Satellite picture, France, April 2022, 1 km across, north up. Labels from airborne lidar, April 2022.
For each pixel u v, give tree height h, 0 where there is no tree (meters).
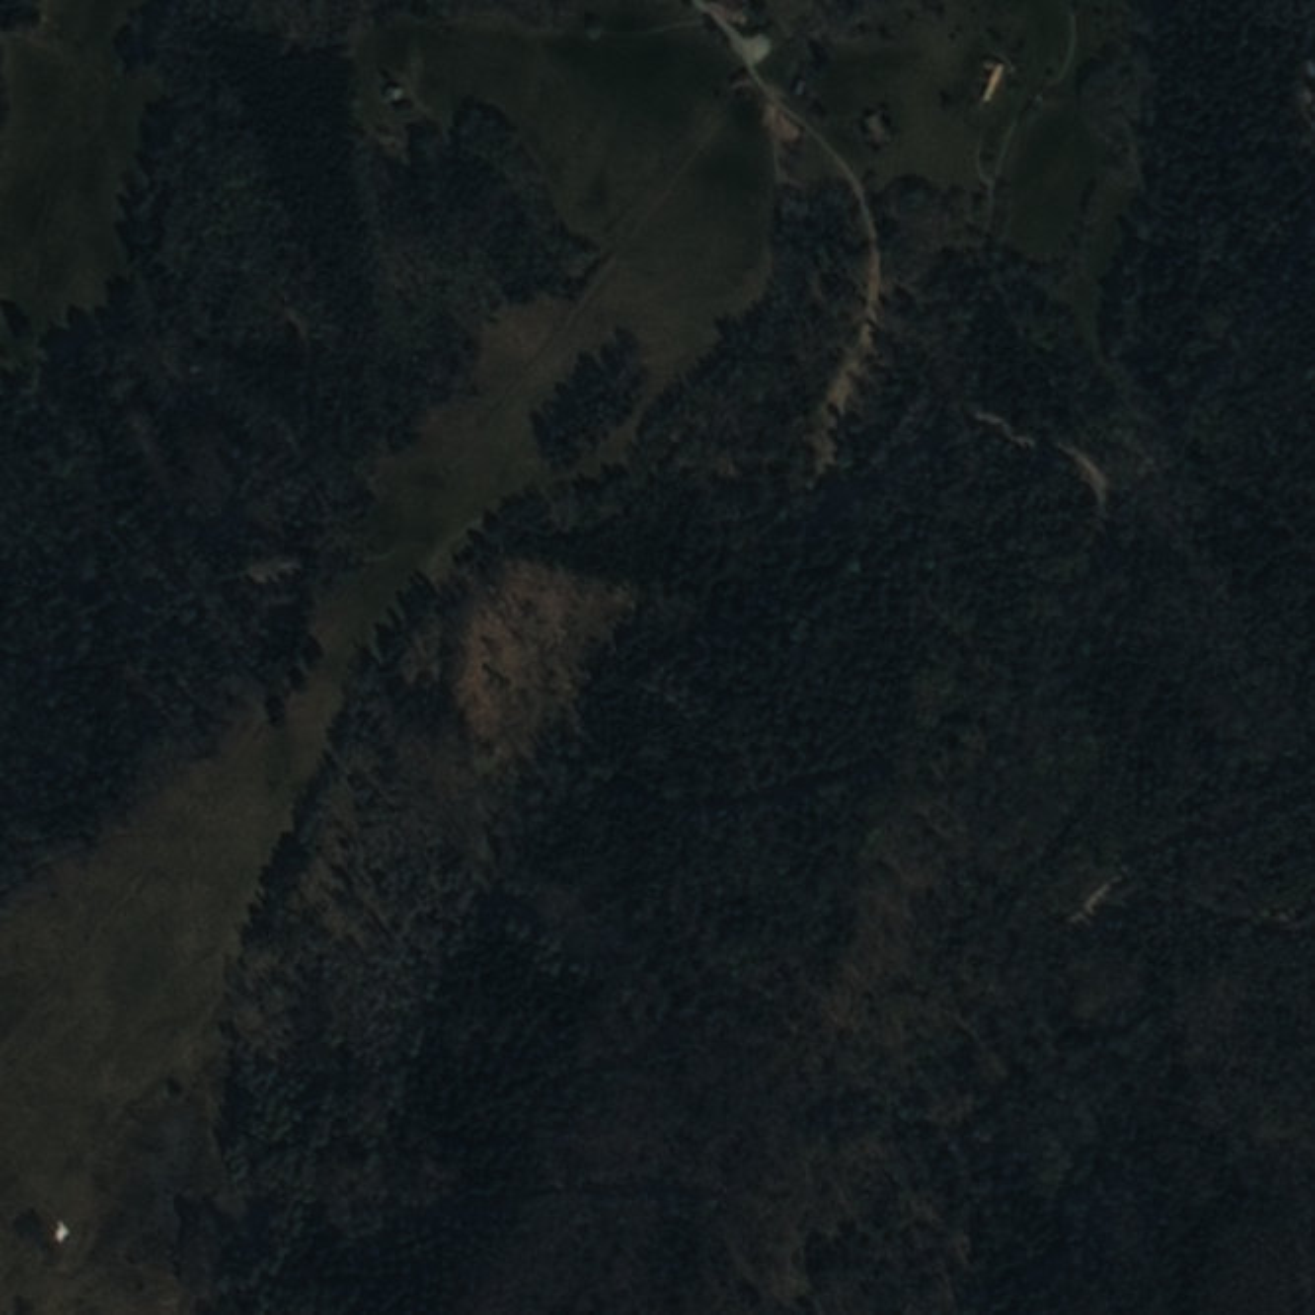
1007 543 22
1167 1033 18
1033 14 0
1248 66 28
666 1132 33
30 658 21
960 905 20
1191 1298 15
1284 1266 15
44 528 24
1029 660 26
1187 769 28
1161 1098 23
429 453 0
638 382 17
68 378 29
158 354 24
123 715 17
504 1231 28
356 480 20
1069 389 28
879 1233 28
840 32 18
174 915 0
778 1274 20
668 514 22
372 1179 32
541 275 19
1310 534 26
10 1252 0
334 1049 24
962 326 25
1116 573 28
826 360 29
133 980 0
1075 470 17
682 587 38
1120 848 22
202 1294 8
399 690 31
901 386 26
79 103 0
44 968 0
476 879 25
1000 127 0
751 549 33
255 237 23
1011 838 28
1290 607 25
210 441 16
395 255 14
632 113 0
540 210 23
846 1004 35
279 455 32
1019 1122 32
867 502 31
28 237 0
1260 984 20
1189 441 31
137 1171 0
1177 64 24
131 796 24
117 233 0
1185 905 22
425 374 14
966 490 17
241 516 14
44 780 27
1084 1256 30
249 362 26
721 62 0
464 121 12
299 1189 33
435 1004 26
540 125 0
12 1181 0
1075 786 27
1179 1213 19
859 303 30
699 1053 33
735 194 0
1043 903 22
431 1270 31
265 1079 17
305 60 19
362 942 0
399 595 0
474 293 15
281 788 0
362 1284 26
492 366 0
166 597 34
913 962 22
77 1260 0
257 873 0
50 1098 0
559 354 0
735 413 26
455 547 0
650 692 28
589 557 18
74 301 0
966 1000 22
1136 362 27
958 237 17
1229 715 29
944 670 26
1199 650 26
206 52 26
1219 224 30
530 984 35
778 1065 31
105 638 15
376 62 0
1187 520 20
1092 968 19
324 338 14
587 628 0
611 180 0
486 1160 33
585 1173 31
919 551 32
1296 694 15
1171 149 30
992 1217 31
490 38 0
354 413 12
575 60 0
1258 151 35
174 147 33
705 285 0
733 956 29
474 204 23
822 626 31
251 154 25
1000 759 30
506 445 0
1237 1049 19
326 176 18
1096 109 24
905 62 0
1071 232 0
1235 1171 14
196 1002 0
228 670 30
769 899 28
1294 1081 18
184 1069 0
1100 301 0
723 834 28
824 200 16
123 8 0
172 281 22
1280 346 28
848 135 0
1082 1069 24
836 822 21
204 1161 0
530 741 0
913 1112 28
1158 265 19
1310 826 24
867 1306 31
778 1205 34
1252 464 22
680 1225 29
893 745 28
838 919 31
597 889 25
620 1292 25
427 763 33
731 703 32
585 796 28
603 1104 31
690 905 29
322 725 0
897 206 17
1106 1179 26
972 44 0
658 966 29
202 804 0
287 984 23
